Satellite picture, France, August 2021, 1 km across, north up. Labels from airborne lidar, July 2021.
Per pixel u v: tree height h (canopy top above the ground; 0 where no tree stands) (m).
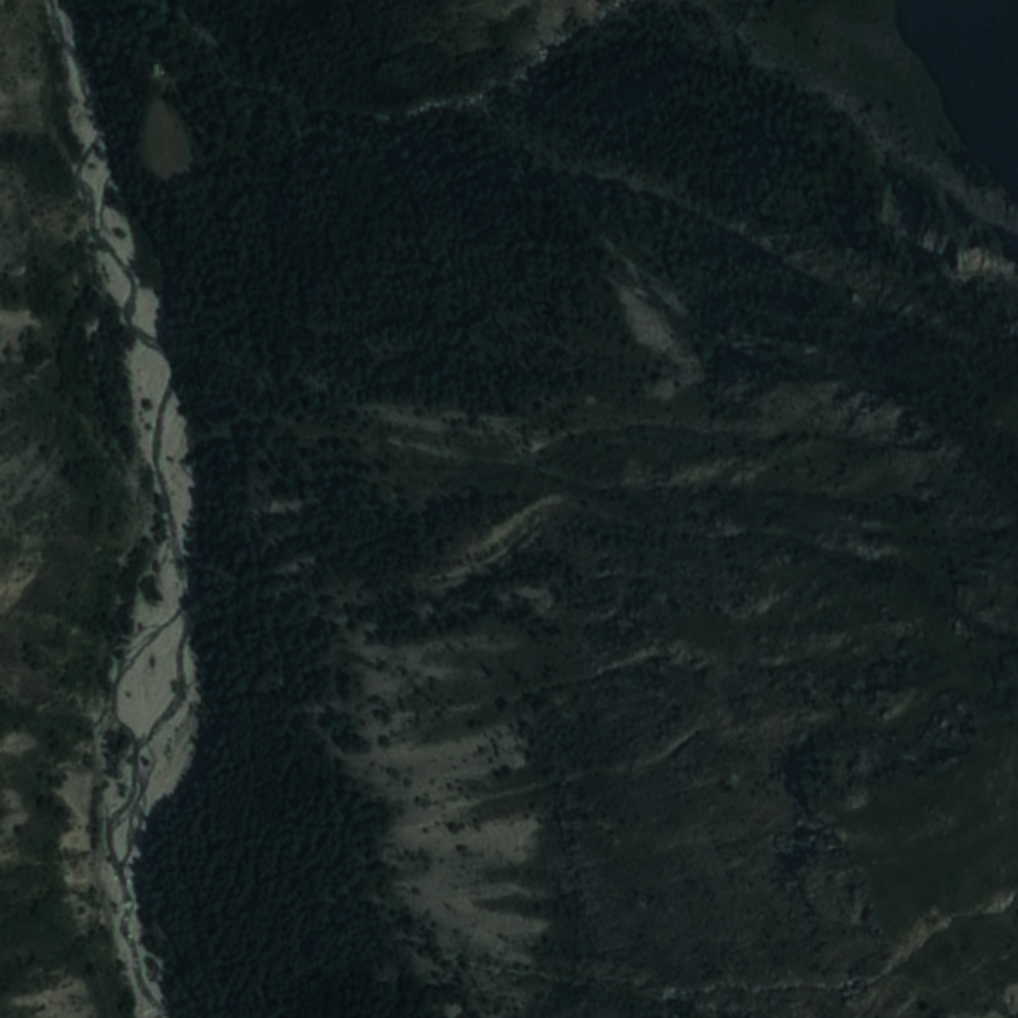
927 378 0
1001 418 0
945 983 0
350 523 28
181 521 0
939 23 0
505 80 10
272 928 23
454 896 0
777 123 11
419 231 19
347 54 22
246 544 13
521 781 0
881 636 0
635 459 0
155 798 0
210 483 20
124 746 7
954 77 0
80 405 16
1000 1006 0
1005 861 0
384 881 11
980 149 8
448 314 15
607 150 6
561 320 8
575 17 9
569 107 15
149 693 0
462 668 0
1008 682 0
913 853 0
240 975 25
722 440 0
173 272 25
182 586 0
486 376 15
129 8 6
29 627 0
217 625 21
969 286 8
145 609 0
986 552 0
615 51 14
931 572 0
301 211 23
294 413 20
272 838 25
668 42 8
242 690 21
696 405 0
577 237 8
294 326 11
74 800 0
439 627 21
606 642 6
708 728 0
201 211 29
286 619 24
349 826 14
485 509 20
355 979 17
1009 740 0
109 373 11
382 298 22
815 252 8
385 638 19
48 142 6
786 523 0
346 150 8
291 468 11
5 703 9
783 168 8
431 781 0
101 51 29
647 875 0
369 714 0
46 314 15
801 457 0
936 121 0
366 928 28
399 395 18
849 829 0
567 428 7
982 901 0
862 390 0
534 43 0
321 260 17
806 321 13
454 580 0
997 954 0
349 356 15
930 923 0
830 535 0
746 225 9
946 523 0
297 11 21
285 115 29
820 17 0
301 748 25
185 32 23
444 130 14
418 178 19
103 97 27
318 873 27
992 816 0
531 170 9
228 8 20
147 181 17
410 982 16
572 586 14
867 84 0
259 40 22
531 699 10
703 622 0
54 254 6
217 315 30
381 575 22
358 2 25
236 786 28
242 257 28
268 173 18
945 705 0
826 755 0
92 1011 0
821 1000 0
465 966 12
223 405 11
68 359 19
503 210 9
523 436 7
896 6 0
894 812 0
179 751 0
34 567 0
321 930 27
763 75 8
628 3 6
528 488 0
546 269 20
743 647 0
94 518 14
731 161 8
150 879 26
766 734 0
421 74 22
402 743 0
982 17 0
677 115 13
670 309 6
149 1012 0
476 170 18
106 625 11
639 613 6
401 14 25
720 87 7
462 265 24
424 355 16
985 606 0
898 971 0
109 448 8
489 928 0
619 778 0
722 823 0
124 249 0
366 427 6
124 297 0
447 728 0
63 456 8
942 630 0
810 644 0
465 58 15
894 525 0
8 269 7
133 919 0
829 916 0
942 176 0
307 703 23
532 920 0
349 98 18
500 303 25
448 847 0
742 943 0
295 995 12
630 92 10
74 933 0
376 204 23
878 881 0
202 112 11
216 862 24
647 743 0
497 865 0
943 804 0
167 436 0
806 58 0
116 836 0
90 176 0
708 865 0
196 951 11
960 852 0
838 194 7
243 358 18
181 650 0
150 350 0
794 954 0
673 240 6
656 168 15
